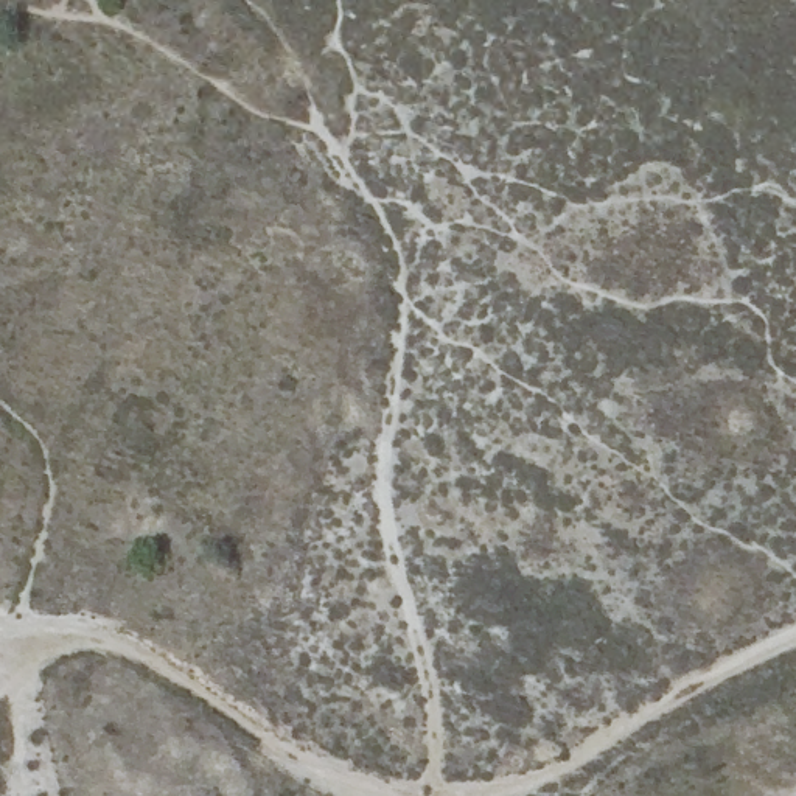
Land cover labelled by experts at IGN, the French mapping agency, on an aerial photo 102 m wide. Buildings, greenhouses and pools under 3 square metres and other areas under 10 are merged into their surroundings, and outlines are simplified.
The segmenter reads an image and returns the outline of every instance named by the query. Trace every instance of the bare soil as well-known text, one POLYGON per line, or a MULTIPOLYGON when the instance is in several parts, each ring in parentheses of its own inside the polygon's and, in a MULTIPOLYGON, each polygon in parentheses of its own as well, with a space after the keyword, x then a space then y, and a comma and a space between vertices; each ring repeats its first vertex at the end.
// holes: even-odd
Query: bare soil
POLYGON ((180 659, 174 650, 159 647, 155 641, 118 634, 115 619, 103 619, 93 613, 47 616, 28 603, 9 606, 0 600, 0 700, 9 700, 16 740, 12 759, 6 762, 3 774, 6 796, 59 796, 50 746, 31 743, 31 731, 40 728, 44 718, 37 703, 44 665, 75 650, 121 653, 127 659, 149 665, 152 672, 208 700, 215 709, 221 709, 249 734, 255 734, 277 768, 289 771, 299 780, 305 777, 311 780, 311 787, 333 796, 535 796, 538 787, 575 774, 603 749, 616 746, 647 721, 697 700, 724 678, 746 672, 765 659, 774 659, 787 650, 796 650, 796 622, 752 647, 743 647, 734 656, 718 659, 703 672, 681 675, 659 700, 644 703, 637 712, 625 712, 619 721, 575 746, 566 762, 529 774, 510 774, 494 780, 448 780, 448 734, 442 724, 442 703, 426 703, 426 771, 414 780, 382 780, 370 771, 351 768, 351 762, 314 749, 311 740, 292 740, 292 731, 286 724, 271 724, 264 709, 255 709, 246 700, 227 693, 196 662, 180 659))

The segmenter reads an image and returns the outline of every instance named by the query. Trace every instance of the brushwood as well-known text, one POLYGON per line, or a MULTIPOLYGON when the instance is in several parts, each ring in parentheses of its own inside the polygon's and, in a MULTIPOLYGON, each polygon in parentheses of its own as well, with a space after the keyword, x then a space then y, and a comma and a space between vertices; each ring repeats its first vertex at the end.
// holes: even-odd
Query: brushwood
POLYGON ((28 40, 28 12, 34 6, 56 6, 59 0, 0 0, 0 53, 9 56, 12 47, 28 40))

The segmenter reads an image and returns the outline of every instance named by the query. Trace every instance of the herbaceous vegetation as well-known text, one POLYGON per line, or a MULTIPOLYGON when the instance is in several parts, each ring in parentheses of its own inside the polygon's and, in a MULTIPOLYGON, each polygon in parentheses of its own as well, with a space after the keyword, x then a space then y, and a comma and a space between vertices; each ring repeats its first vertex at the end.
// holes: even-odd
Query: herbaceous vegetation
POLYGON ((59 0, 56 6, 34 6, 28 12, 28 40, 12 47, 9 56, 0 53, 0 600, 9 606, 28 603, 47 616, 93 613, 103 619, 115 619, 118 634, 155 641, 159 647, 174 650, 180 659, 196 662, 227 693, 246 700, 255 709, 264 709, 271 724, 286 724, 292 731, 292 740, 311 740, 314 749, 351 762, 351 768, 370 771, 382 780, 414 780, 426 771, 426 703, 442 703, 442 724, 448 734, 448 780, 494 780, 510 774, 529 774, 566 762, 575 746, 619 721, 625 712, 637 712, 644 703, 659 700, 681 675, 703 672, 718 659, 734 656, 743 647, 752 647, 796 622, 796 0, 59 0))
POLYGON ((127 659, 121 653, 75 650, 44 665, 37 703, 44 718, 40 728, 31 731, 31 743, 50 746, 59 796, 333 796, 311 787, 311 780, 305 777, 299 780, 289 771, 277 768, 255 734, 249 734, 221 709, 215 709, 208 700, 152 672, 149 665, 127 659))
POLYGON ((697 700, 647 721, 616 746, 603 749, 575 774, 538 787, 535 796, 796 796, 796 650, 787 650, 774 659, 765 659, 746 672, 724 678, 697 700))
POLYGON ((0 700, 0 796, 6 796, 3 774, 6 762, 12 759, 16 740, 9 700, 0 700))

